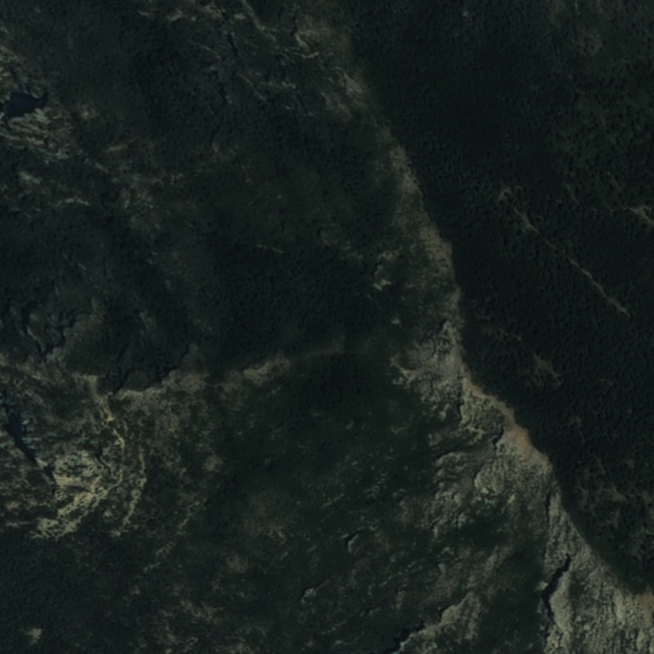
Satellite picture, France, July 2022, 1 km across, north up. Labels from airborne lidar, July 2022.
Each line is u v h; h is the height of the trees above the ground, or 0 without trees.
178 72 7
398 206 0
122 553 8
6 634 10
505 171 18
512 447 0
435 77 15
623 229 7
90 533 7
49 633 9
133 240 8
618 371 19
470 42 7
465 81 14
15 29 7
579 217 20
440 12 16
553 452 5
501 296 22
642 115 24
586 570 0
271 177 9
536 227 24
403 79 11
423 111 14
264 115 8
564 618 0
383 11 8
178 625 8
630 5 8
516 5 16
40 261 7
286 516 0
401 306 10
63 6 7
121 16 10
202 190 7
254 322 8
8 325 7
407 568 6
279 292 14
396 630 7
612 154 10
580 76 13
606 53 7
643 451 17
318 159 7
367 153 7
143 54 10
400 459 6
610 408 25
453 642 6
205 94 6
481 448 0
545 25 12
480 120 15
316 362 6
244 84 6
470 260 16
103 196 18
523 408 8
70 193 8
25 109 6
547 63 9
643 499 18
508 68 9
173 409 9
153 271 12
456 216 17
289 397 6
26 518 8
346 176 9
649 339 10
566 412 16
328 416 6
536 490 0
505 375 12
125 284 6
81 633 7
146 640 7
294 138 16
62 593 7
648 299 13
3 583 9
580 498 12
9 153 11
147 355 7
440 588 0
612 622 0
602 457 13
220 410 11
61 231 11
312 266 9
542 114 15
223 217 11
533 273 25
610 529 13
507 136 11
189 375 0
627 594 0
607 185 18
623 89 21
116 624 7
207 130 7
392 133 6
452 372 0
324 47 0
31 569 12
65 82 8
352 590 7
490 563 0
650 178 12
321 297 10
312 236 6
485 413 0
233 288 9
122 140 10
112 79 6
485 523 6
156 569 7
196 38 6
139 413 7
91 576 8
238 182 6
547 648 0
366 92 0
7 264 11
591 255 22
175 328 8
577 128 7
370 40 11
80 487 6
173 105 7
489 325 16
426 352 0
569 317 24
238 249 19
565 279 19
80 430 6
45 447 0
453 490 0
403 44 9
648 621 0
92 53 7
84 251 6
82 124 7
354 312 10
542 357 16
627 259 17
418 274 0
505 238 23
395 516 0
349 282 11
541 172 20
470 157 20
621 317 22
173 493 6
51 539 10
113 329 7
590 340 21
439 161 13
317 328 8
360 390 15
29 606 7
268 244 6
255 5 9
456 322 0
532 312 23
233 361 7
